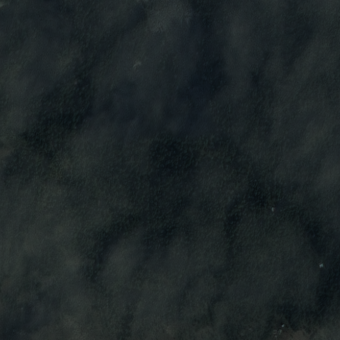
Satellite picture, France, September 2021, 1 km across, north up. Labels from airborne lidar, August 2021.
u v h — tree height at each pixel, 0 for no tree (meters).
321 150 24
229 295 10
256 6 21
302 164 17
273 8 26
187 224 13
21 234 19
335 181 23
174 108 27
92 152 18
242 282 8
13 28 12
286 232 24
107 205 16
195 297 18
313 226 13
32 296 0
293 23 35
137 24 28
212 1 30
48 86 23
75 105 6
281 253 17
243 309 10
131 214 17
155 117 21
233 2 11
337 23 34
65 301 10
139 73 0
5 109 10
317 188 20
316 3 22
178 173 23
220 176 23
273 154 22
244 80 30
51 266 6
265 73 19
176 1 0
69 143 16
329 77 19
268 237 21
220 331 6
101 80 23
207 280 13
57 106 22
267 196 20
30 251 0
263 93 28
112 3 29
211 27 7
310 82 19
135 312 10
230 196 11
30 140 18
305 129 22
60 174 8
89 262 15
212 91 25
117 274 20
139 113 0
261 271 20
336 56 31
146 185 18
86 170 23
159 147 23
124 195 22
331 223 22
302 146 15
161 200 17
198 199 22
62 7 37
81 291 14
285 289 12
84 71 24
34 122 20
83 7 30
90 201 20
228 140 38
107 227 20
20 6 7
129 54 18
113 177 13
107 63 16
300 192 8
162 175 19
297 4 21
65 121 19
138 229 6
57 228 14
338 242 25
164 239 15
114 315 10
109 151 24
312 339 13
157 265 15
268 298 8
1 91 8
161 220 13
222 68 16
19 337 0
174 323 6
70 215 21
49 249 21
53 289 9
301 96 25
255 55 19
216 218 21
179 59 0
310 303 12
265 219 25
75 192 15
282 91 17
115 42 24
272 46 20
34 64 8
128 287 19
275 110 19
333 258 26
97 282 14
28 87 18
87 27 32
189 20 0
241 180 20
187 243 17
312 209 8
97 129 31
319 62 28
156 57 0
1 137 12
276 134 11
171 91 8
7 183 22
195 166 22
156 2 0
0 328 0
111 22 32
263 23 10
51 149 23
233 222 15
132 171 6
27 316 0
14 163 6
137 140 39
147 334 0
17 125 9
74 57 30
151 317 9
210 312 17
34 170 28
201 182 22
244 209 23
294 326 13
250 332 10
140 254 9
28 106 29
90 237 7
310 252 17
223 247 24
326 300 11
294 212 26
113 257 14
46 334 9
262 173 26
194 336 7
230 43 34
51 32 12
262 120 28
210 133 40
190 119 0
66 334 0
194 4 31
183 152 25
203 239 12
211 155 10
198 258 21
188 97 8
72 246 24
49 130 26
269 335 9
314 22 28
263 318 13
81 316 0
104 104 13
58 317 10
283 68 28
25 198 10
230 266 18
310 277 7
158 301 10
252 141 32
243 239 18
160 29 0
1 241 11
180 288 10
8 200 18
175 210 13
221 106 30
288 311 11
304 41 22
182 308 17
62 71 33
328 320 19
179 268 15
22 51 6
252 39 26
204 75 7
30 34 20
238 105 31
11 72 26
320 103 24
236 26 28
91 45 13
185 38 0
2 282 7
